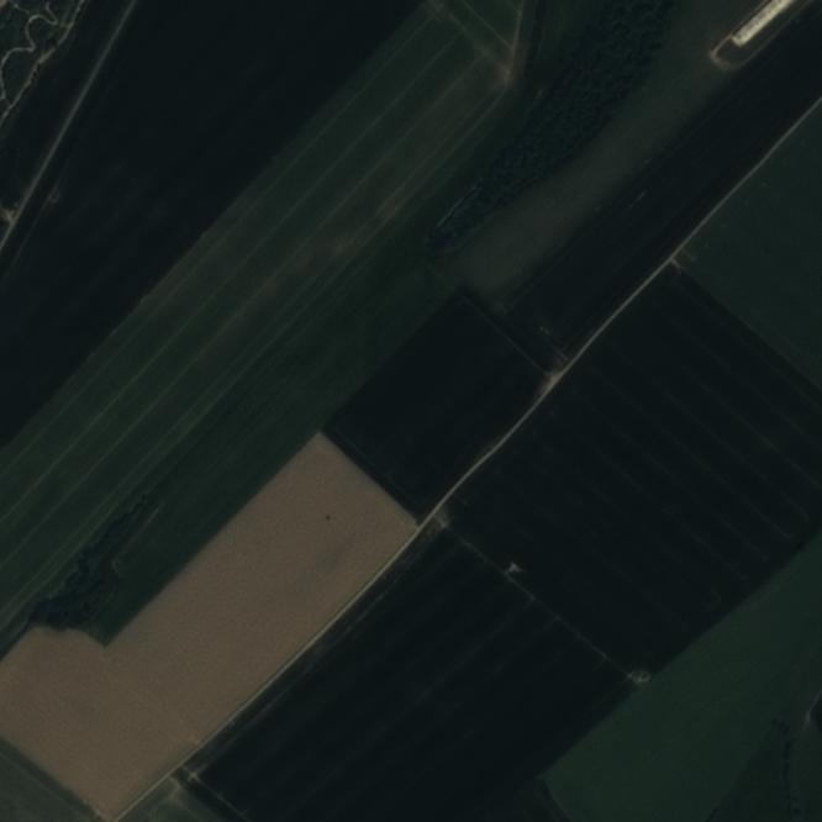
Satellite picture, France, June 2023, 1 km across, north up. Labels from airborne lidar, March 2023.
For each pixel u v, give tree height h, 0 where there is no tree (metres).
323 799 0
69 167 0
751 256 0
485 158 0
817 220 0
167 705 0
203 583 0
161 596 0
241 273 0
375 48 0
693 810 0
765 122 0
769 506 0
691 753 0
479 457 0
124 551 0
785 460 0
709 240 0
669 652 0
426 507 0
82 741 0
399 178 0
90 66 0
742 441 0
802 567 0
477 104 0
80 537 0
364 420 0
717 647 0
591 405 0
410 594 0
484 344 0
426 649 0
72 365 0
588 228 0
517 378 0
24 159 0
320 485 0
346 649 0
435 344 0
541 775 0
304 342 0
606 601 0
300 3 0
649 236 0
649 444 0
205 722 0
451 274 0
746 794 0
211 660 0
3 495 0
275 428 0
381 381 0
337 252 0
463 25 0
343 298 0
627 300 0
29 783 0
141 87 0
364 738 0
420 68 0
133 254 0
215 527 0
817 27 0
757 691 0
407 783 0
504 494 0
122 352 0
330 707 0
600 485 0
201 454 0
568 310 0
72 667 0
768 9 0
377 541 0
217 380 0
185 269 0
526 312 0
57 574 0
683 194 0
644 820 0
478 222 6
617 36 22
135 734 0
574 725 0
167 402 0
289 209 0
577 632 0
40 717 0
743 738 0
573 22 0
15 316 0
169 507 0
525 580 0
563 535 0
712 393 0
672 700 0
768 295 0
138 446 0
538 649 0
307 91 0
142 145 0
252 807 0
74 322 0
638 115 0
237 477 0
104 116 0
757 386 0
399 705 0
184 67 0
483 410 0
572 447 0
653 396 0
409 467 0
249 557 0
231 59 0
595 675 0
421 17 0
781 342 0
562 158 14
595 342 0
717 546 0
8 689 0
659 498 0
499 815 0
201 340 0
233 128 0
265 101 0
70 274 0
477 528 0
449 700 0
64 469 0
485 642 0
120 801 0
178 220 0
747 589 0
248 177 0
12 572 0
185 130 0
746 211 0
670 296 0
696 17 0
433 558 0
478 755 0
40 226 0
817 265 0
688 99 0
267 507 0
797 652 0
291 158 0
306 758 0
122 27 0
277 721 0
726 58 0
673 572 0
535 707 0
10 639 0
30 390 0
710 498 0
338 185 0
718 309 0
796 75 0
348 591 0
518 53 0
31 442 0
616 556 0
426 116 0
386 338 0
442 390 0
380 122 0
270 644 0
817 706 0
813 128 0
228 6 0
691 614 0
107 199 0
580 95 21
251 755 0
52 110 0
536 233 0
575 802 0
